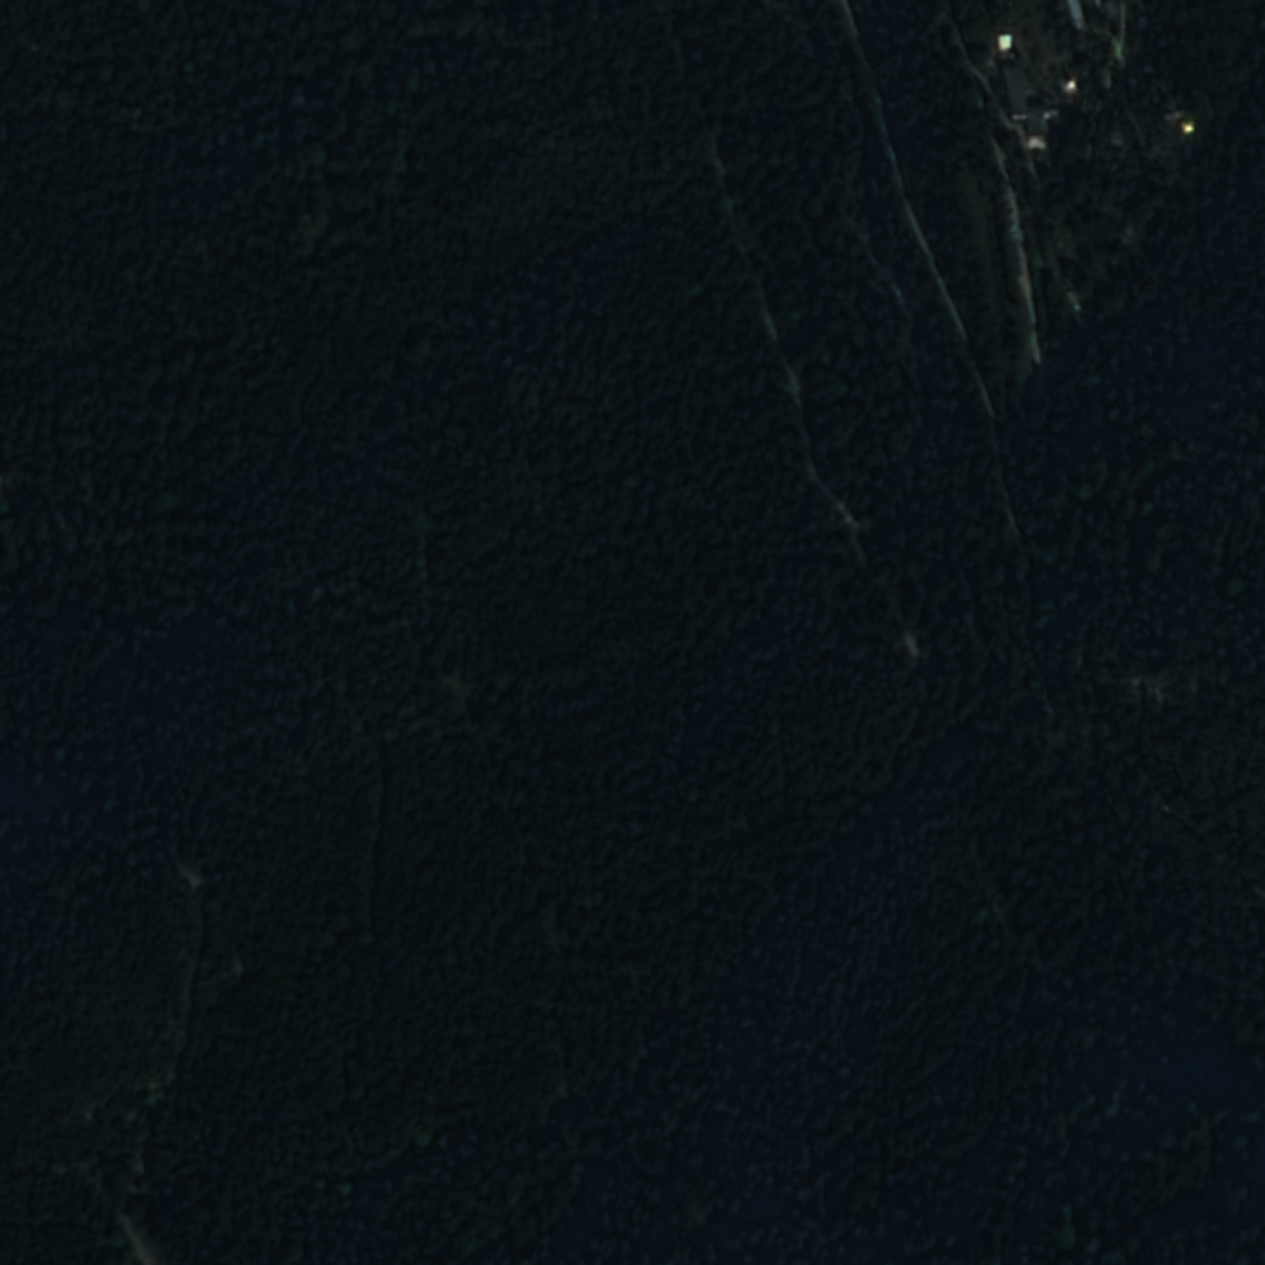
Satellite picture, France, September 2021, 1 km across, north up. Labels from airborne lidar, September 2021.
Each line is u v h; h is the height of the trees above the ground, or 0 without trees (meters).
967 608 8
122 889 29
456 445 15
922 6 13
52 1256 23
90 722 27
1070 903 27
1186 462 28
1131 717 19
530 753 24
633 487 18
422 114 31
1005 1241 14
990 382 23
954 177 15
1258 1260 31
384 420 7
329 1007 20
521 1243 21
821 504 16
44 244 20
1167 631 15
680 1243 17
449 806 25
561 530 19
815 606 8
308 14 23
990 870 24
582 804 23
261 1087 31
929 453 31
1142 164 11
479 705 13
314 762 23
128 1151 7
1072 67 6
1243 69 14
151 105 15
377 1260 21
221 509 21
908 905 31
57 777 20
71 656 30
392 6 12
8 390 17
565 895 16
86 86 13
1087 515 6
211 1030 25
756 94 27
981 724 41
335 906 22
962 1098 28
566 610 23
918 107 29
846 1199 27
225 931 21
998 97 7
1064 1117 13
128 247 20
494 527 21
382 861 27
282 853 16
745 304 30
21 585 23
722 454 20
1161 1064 25
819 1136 28
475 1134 21
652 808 22
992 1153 23
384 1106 22
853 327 31
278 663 21
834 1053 28
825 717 20
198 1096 26
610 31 19
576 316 13
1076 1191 24
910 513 38
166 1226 27
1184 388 8
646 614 17
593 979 12
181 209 18
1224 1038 23
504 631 22
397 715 19
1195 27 13
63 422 24
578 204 19
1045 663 26
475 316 9
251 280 21
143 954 23
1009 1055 27
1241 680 24
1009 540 22
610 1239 21
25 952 20
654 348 26
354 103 29
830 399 32
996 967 26
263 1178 32
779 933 22
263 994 22
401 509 22
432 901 26
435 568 24
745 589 24
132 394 23
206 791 24
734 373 18
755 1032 20
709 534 32
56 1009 22
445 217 17
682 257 23
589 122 25
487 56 25
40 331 13
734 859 27
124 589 23
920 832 27
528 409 31
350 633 19
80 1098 15
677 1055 23
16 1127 15
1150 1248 18
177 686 28
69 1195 17
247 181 21
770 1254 31
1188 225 18
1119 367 8
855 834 17
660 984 27
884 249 33
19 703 25
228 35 21
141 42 25
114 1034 7
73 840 29
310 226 28
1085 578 27
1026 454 20
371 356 25
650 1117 16
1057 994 16
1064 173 7
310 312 19
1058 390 18
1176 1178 28
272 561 16
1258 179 27
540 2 29
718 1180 28
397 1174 26
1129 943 9
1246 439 27
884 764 17
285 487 24
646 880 18
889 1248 6
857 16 6
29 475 12
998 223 9
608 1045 19
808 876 30
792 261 7
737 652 23
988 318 14
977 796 22
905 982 24
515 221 28
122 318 17
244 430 19
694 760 29
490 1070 26
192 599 10
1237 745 29
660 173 24
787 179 6
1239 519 32
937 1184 24
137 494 22
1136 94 8
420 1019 29
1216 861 29
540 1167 21
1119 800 24
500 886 17
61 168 29
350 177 27
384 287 29
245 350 16
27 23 20
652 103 20
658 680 31
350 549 16
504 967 24
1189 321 21
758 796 25
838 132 22
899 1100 24
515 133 22
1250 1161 20
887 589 30
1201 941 25
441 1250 20
